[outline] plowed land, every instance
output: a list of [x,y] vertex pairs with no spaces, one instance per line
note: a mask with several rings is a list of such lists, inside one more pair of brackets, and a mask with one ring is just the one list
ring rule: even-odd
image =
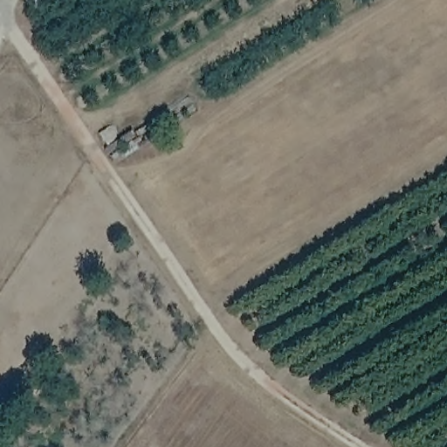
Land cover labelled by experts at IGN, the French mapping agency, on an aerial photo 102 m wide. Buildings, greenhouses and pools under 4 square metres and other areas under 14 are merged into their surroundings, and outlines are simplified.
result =
[[120,131],[122,127],[126,127],[124,119],[129,115],[141,115],[145,119],[145,115],[152,108],[162,105],[166,94],[175,91],[180,80],[190,77],[211,61],[237,51],[246,40],[251,40],[257,37],[262,28],[276,26],[283,17],[292,17],[299,10],[293,0],[265,0],[267,3],[257,16],[239,19],[237,21],[236,26],[225,31],[222,37],[204,44],[199,51],[182,61],[176,61],[175,61],[164,68],[159,72],[152,80],[141,80],[134,86],[129,93],[122,94],[119,96],[112,107],[100,108],[94,112],[86,110],[79,112],[84,126],[93,134],[96,131],[103,133],[108,127],[115,127]]

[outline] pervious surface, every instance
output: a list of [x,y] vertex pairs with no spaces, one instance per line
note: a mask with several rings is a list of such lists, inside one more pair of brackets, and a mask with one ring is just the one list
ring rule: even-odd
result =
[[229,335],[223,332],[222,325],[218,323],[215,314],[211,313],[210,307],[204,304],[203,297],[197,292],[196,286],[192,285],[187,272],[183,271],[180,262],[169,250],[168,244],[162,241],[147,213],[129,192],[126,183],[120,180],[117,169],[110,164],[108,157],[103,154],[93,134],[84,126],[79,112],[73,108],[72,101],[66,98],[61,86],[56,84],[52,73],[47,70],[45,59],[31,42],[17,26],[10,30],[9,40],[37,77],[40,86],[44,87],[49,100],[63,115],[75,138],[82,143],[89,159],[98,168],[110,173],[113,192],[124,203],[134,222],[138,223],[141,232],[159,253],[159,257],[164,258],[169,272],[194,304],[199,316],[208,328],[225,349],[225,353],[229,354],[239,367],[244,368],[251,379],[255,379],[269,395],[278,398],[288,409],[306,417],[309,423],[327,431],[328,435],[332,435],[335,440],[339,440],[347,447],[372,447],[361,442],[360,438],[354,437],[344,428],[340,428],[339,424],[328,419],[320,409],[304,402],[300,396],[293,395],[292,391],[283,388],[279,382],[271,381],[264,370],[257,368],[246,354],[237,349]]

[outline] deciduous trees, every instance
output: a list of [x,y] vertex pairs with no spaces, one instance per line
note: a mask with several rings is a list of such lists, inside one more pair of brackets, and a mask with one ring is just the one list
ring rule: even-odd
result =
[[129,374],[115,368],[107,377],[107,382],[112,388],[129,386]]
[[87,293],[96,297],[105,295],[113,286],[112,276],[108,274],[107,269],[93,272],[89,283],[84,286]]
[[155,342],[155,358],[150,358],[145,349],[133,351],[131,346],[134,334],[129,321],[120,320],[112,311],[100,311],[96,316],[98,327],[122,347],[122,358],[127,361],[127,367],[133,370],[138,361],[145,358],[150,370],[161,370],[166,360],[171,358],[171,354],[175,354],[180,342],[185,344],[187,349],[194,349],[194,342],[190,339],[199,339],[208,328],[199,316],[196,321],[187,323],[182,320],[182,313],[178,311],[176,304],[168,304],[166,311],[173,321],[176,339],[173,340],[171,347],[164,347],[161,342]]
[[393,447],[447,447],[447,171],[438,176],[437,180],[410,192],[402,201],[384,206],[372,217],[363,220],[358,227],[349,230],[344,236],[337,237],[328,246],[314,251],[302,264],[274,276],[269,279],[267,285],[258,286],[255,292],[246,293],[234,306],[227,307],[230,314],[243,321],[244,327],[255,334],[253,342],[260,349],[271,353],[271,361],[276,367],[288,367],[293,375],[309,377],[309,384],[318,393],[328,393],[332,402],[337,405],[353,402],[353,414],[358,414],[360,409],[365,407],[368,412],[365,423],[370,426],[370,430],[382,433],[388,438]]
[[80,96],[86,103],[86,110],[94,112],[100,108],[96,89],[82,87]]
[[136,61],[133,58],[124,59],[120,63],[120,73],[124,79],[131,80],[134,86],[141,80],[140,68]]
[[103,73],[101,84],[119,96],[122,94],[112,70]]
[[243,56],[225,63],[220,70],[208,75],[203,89],[210,100],[218,100],[223,96],[237,93],[244,84],[257,77],[258,72],[264,72],[274,66],[279,59],[299,51],[307,42],[330,35],[340,21],[339,3],[335,0],[325,0],[321,3],[320,9],[314,9],[297,23],[286,26],[285,30],[274,33],[264,40],[257,37],[251,40],[255,42],[255,47],[251,47]]
[[182,129],[176,117],[162,113],[159,126],[152,127],[150,140],[150,143],[154,143],[161,152],[175,152],[182,148]]
[[175,61],[176,61],[182,56],[180,45],[175,33],[166,33],[161,38],[162,47]]
[[152,17],[157,16],[159,12],[168,12],[169,16],[176,17],[187,14],[197,9],[199,0],[35,0],[30,5],[30,12],[24,14],[30,19],[31,42],[45,59],[63,59],[61,72],[68,80],[68,84],[73,84],[82,79],[82,65],[100,65],[103,61],[101,45],[108,40],[112,54],[115,51],[127,52],[133,51],[134,47],[140,47],[141,61],[147,65],[148,70],[159,72],[164,68],[159,52],[152,47]]
[[220,0],[223,3],[223,10],[237,21],[239,19],[241,0]]
[[82,347],[75,344],[72,339],[51,344],[45,347],[42,353],[35,354],[30,379],[17,386],[12,400],[0,402],[0,447],[42,447],[63,445],[65,435],[59,431],[59,424],[68,421],[72,416],[72,410],[79,409],[84,403],[84,395],[79,391],[79,384],[70,372],[65,370],[65,363],[77,363],[84,356]]

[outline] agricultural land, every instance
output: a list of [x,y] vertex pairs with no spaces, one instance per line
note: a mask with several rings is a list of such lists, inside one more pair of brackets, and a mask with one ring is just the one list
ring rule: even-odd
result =
[[210,307],[211,313],[215,314],[218,323],[222,325],[223,332],[229,335],[237,349],[246,354],[257,368],[264,370],[271,381],[279,382],[283,388],[292,391],[293,395],[300,396],[304,402],[320,409],[328,419],[339,424],[340,428],[344,428],[354,437],[360,438],[361,442],[372,447],[393,447],[388,438],[382,433],[370,430],[370,426],[365,423],[368,412],[365,407],[360,409],[358,414],[353,414],[353,402],[337,405],[332,402],[328,393],[318,393],[309,384],[309,377],[293,375],[288,367],[276,367],[271,361],[271,353],[260,349],[253,342],[255,334],[244,327],[243,321],[230,314],[227,307],[234,306],[246,293],[255,292],[258,286],[267,285],[269,279],[274,276],[302,264],[314,251],[328,246],[337,237],[344,236],[349,230],[358,227],[363,220],[372,217],[384,206],[402,201],[410,192],[437,180],[438,176],[447,171],[447,0],[365,0],[367,5],[358,14],[340,21],[330,35],[307,42],[299,51],[279,59],[274,66],[264,72],[258,72],[257,77],[244,84],[237,93],[223,96],[218,100],[210,100],[203,100],[197,96],[194,98],[197,113],[189,117],[176,117],[182,129],[182,148],[175,152],[161,152],[154,143],[150,143],[150,140],[147,141],[147,150],[140,150],[133,141],[129,143],[126,152],[108,157],[110,164],[117,169],[120,180],[126,183],[129,192],[147,213],[162,241],[168,244],[169,250],[180,262],[183,271],[187,272],[192,285],[196,286],[197,292],[203,297],[204,304]]
[[180,342],[175,354],[171,354],[171,358],[166,360],[161,370],[150,370],[145,358],[138,361],[133,370],[129,374],[129,386],[131,393],[141,389],[141,396],[136,398],[136,405],[129,412],[126,421],[113,426],[103,447],[347,447],[339,440],[335,440],[332,435],[328,435],[327,431],[309,423],[306,417],[288,409],[278,398],[269,395],[255,379],[251,379],[244,368],[239,367],[229,354],[225,353],[225,349],[208,328],[199,339],[190,339],[194,342],[194,349],[187,349],[185,344]]
[[112,276],[120,260],[124,260],[129,267],[119,276],[124,281],[131,283],[138,278],[138,272],[155,274],[161,285],[161,311],[166,311],[168,304],[176,304],[178,311],[182,313],[182,320],[187,323],[196,321],[199,316],[194,304],[169,272],[164,258],[159,257],[159,253],[141,232],[138,223],[134,222],[124,203],[113,192],[110,173],[98,168],[89,159],[82,143],[75,138],[63,115],[49,100],[44,87],[40,86],[37,77],[9,40],[2,40],[0,45],[0,402],[12,400],[17,386],[30,379],[35,354],[42,353],[45,347],[51,344],[72,339],[75,337],[77,309],[80,300],[86,297],[87,293],[84,286],[89,283],[93,272],[107,269],[108,274]]

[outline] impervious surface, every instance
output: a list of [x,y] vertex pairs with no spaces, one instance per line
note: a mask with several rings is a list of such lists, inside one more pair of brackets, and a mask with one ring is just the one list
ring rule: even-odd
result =
[[10,30],[17,26],[17,0],[0,0],[0,45],[2,40],[9,40]]

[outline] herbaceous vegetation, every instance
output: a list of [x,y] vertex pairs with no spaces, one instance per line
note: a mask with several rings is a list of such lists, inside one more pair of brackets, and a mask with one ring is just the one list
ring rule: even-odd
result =
[[122,358],[122,347],[98,327],[96,316],[100,311],[112,311],[120,320],[129,321],[134,334],[131,346],[133,351],[145,349],[150,358],[155,358],[155,342],[161,342],[164,347],[171,347],[173,340],[176,339],[173,321],[166,311],[161,311],[161,285],[155,274],[138,272],[138,278],[131,283],[124,281],[119,276],[129,267],[124,260],[120,260],[112,276],[113,286],[105,295],[96,297],[87,293],[86,297],[80,300],[77,309],[75,337],[72,339],[75,344],[82,347],[84,356],[77,363],[65,363],[65,370],[70,372],[79,384],[79,391],[84,395],[84,403],[79,409],[72,410],[72,416],[68,421],[59,424],[59,431],[65,435],[63,445],[42,447],[103,447],[113,426],[126,421],[129,412],[136,405],[136,398],[141,396],[141,389],[131,393],[129,386],[112,388],[107,382],[107,377],[115,368],[129,374],[133,370],[127,367],[127,361]]
[[159,12],[157,16],[152,17],[152,47],[159,52],[164,68],[175,61],[162,47],[161,38],[166,33],[175,33],[180,45],[182,56],[176,61],[182,61],[199,51],[204,44],[222,37],[225,31],[236,26],[237,21],[223,10],[223,3],[220,0],[199,0],[197,9],[187,14],[176,17],[169,16],[168,12]]
[[257,16],[267,3],[265,0],[241,0],[239,19]]
[[96,131],[93,134],[103,154],[108,157],[126,152],[129,143],[133,141],[140,150],[147,150],[147,141],[150,140],[152,127],[159,126],[162,113],[176,117],[189,117],[197,113],[194,98],[197,96],[203,100],[210,100],[203,89],[208,75],[220,70],[225,63],[243,56],[251,47],[255,47],[255,42],[251,40],[246,40],[237,51],[211,61],[190,77],[180,80],[175,91],[166,94],[162,105],[152,108],[145,115],[145,119],[141,115],[129,115],[124,119],[126,127],[122,127],[120,131],[115,127],[108,127],[103,133]]
[[68,84],[68,80],[61,72],[63,59],[45,59],[47,70],[52,73],[56,84],[61,86],[66,98],[72,101],[73,108],[79,112],[86,110],[86,103],[80,96],[82,87],[96,89],[100,108],[112,107],[119,96],[101,84],[103,73],[112,70],[122,94],[129,93],[134,86],[131,80],[124,79],[120,73],[120,63],[124,59],[133,58],[136,61],[140,68],[141,80],[152,80],[159,72],[148,70],[147,65],[141,61],[140,47],[134,47],[133,51],[127,52],[115,51],[112,54],[108,40],[101,45],[103,61],[100,65],[82,65],[82,79],[73,84]]
[[340,21],[358,14],[367,5],[365,0],[335,0],[339,3]]
[[30,5],[35,0],[17,0],[17,26],[31,42],[30,19],[24,14],[30,12]]
[[286,26],[297,23],[314,9],[320,9],[321,3],[325,0],[293,0],[299,10],[292,17],[283,17],[276,26],[262,28],[257,37],[264,40],[274,33],[285,30]]

